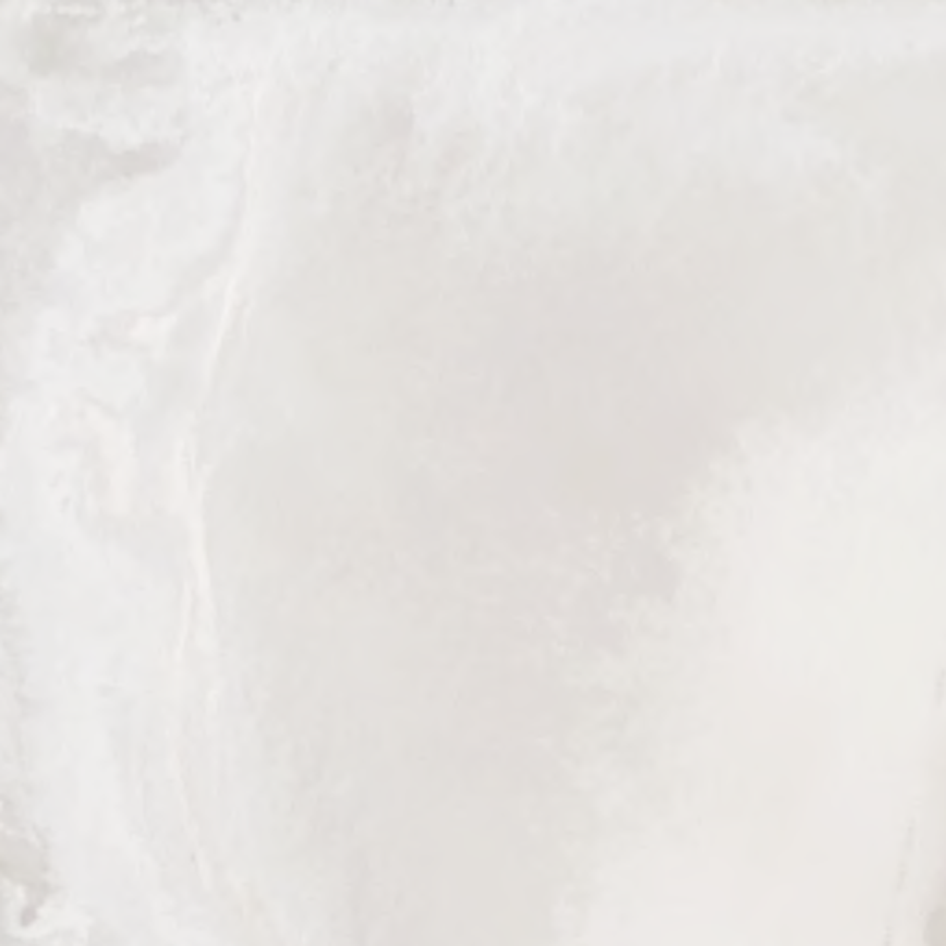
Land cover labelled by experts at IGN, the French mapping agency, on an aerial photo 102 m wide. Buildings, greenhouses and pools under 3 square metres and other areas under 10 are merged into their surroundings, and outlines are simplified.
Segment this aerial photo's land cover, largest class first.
<instances>
[{"label":"water","instance_id":"1","mask_svg":"<svg viewBox=\"0 0 946 946\"><path fill-rule=\"evenodd\" d=\"M525 15V59H514L499 78L503 107L495 111V122H488L484 129H443L440 140L436 133H421L414 126L406 100L373 92L358 100V115L344 122L325 163L292 181L277 211V218L288 225V237L281 240L277 273L262 281L270 296L259 299L251 325L229 318V333L214 358L211 392L196 414L192 462L214 469L203 495V551L214 595L218 665L225 680L218 717L233 728V739L240 746L237 776L251 791L248 820L233 831V850L248 868V894L240 898L225 883V861L211 865L214 894L229 905L225 913H218L214 935L237 946H924L920 905L935 883L946 850V0H510Z\"/></svg>","mask_w":946,"mask_h":946},{"label":"pervious surface","instance_id":"2","mask_svg":"<svg viewBox=\"0 0 946 946\"><path fill-rule=\"evenodd\" d=\"M525 15L510 0H0V946H237L214 935L218 913H225L229 905L214 894L211 865L225 861V883L240 898L248 894V868L233 850V831L248 820L251 791L237 776L240 746L233 739V728L218 717L225 680L218 665L214 595L203 551V495L214 469L192 462L196 414L211 392L214 358L229 333V318L251 325L259 299L270 296L262 281L277 273L281 240L288 237V225L277 218V211L292 181L325 163L344 122L358 115V100L373 92L406 100L414 126L421 133H436L440 140L443 129H484L488 122H495V111L503 107L499 78L514 59H525ZM924 946H946V850L935 883L920 905Z\"/></svg>","mask_w":946,"mask_h":946}]
</instances>
